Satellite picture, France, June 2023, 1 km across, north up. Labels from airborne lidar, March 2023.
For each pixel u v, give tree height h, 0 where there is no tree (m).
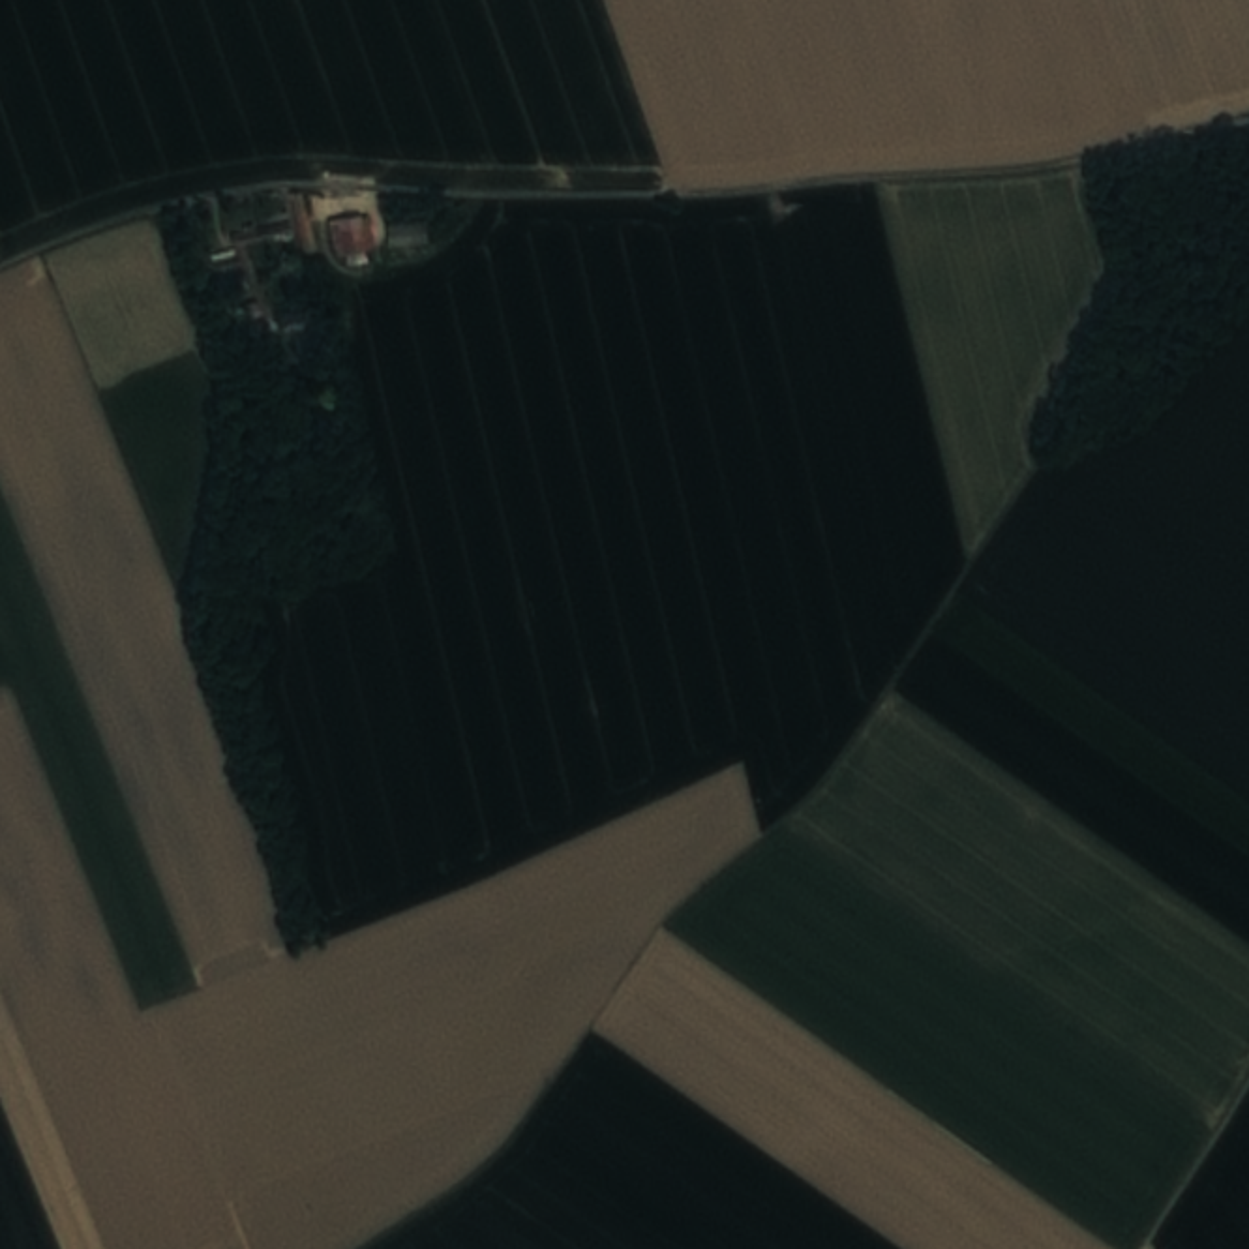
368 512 29
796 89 0
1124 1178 0
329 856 0
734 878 0
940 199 0
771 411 0
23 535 0
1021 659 0
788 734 0
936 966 0
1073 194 0
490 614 0
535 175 0
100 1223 0
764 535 0
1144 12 0
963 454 0
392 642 0
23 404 0
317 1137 0
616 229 0
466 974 0
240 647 22
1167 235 27
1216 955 0
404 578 0
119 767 0
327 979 0
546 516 0
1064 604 0
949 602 0
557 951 0
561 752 0
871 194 0
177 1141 0
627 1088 0
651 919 0
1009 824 0
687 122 0
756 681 0
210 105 0
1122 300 23
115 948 0
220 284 22
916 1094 0
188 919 0
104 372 0
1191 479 0
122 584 0
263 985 0
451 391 0
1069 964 0
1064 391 15
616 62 0
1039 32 0
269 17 0
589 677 0
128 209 0
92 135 0
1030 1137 0
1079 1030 0
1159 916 0
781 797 0
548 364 0
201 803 0
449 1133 0
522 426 0
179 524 0
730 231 0
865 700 0
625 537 0
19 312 0
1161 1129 0
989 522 0
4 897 0
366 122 0
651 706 0
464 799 0
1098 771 0
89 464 0
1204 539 0
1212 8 0
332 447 30
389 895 0
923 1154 0
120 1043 0
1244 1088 0
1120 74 0
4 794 0
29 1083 0
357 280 0
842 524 0
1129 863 0
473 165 0
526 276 0
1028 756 0
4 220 0
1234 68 0
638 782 0
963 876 0
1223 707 0
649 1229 0
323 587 0
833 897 0
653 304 0
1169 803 0
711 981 0
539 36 0
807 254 0
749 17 0
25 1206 0
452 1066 0
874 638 0
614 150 0
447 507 0
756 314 0
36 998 0
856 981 0
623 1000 0
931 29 0
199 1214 0
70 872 0
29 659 0
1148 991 0
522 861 0
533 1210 0
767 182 0
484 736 0
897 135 0
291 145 0
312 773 0
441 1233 0
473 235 0
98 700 0
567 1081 0
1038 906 0
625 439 0
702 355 0
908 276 0
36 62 0
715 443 0
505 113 0
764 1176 0
